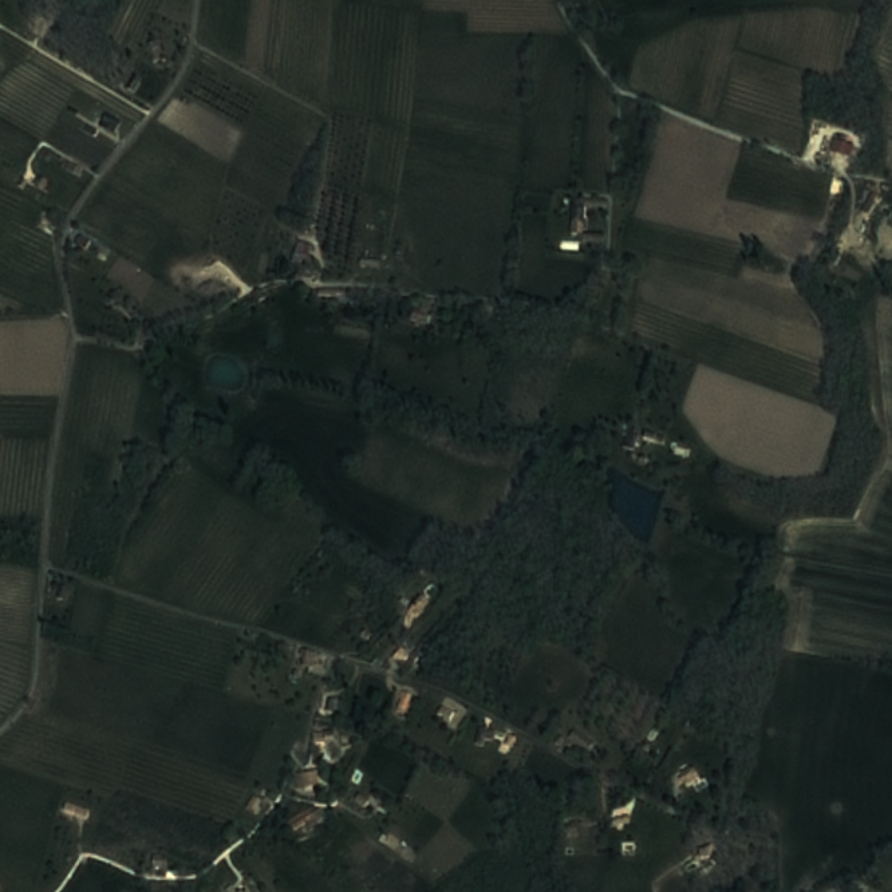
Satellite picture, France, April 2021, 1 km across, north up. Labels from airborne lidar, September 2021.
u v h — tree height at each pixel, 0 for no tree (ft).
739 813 49
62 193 0
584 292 45
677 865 0
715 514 0
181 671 0
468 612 54
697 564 0
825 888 42
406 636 50
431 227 0
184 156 0
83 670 0
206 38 0
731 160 0
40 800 0
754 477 0
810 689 0
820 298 68
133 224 0
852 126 51
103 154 0
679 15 0
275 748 0
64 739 0
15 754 0
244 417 0
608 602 49
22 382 0
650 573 64
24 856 0
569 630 45
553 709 0
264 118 0
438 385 0
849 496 57
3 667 0
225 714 0
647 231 0
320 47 0
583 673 0
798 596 0
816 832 0
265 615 0
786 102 0
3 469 0
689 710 61
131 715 0
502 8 0
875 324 0
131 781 0
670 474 32
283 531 0
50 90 0
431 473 0
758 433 0
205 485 0
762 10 0
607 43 0
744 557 30
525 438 48
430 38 0
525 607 53
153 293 0
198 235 0
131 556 0
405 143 0
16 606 0
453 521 0
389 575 52
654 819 0
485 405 33
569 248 0
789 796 0
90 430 0
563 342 67
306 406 0
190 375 0
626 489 0
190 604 0
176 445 67
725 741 41
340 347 0
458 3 0
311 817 0
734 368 0
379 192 0
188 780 0
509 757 22
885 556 0
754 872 50
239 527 0
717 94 0
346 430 0
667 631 0
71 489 0
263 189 0
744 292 0
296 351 0
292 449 0
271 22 0
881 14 58
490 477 0
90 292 0
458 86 0
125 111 0
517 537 66
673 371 29
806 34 0
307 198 59
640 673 0
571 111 0
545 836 36
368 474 0
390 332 43
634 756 22
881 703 0
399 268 0
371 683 0
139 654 0
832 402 69
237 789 0
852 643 0
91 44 53
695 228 0
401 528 0
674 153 0
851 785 0
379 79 0
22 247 0
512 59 0
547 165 0
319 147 30
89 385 0
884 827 0
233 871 0
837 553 0
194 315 50
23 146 0
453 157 0
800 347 0
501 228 0
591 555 69
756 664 82
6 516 0
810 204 0
